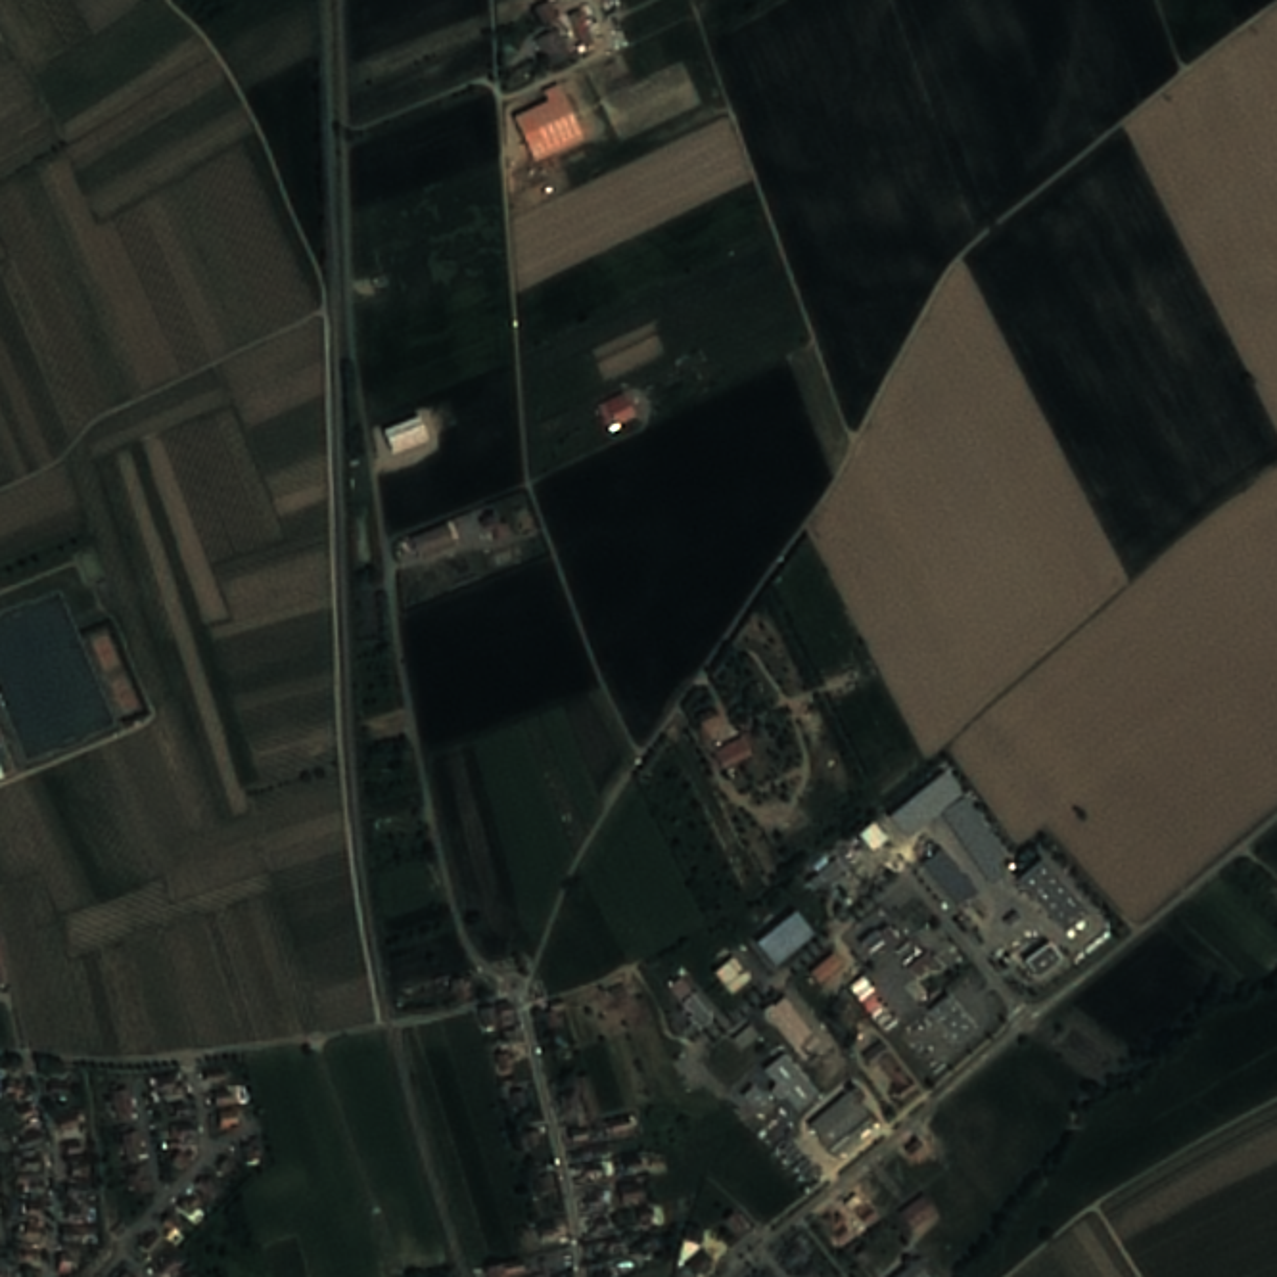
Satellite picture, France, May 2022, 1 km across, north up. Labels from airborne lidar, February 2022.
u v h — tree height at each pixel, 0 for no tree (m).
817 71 0
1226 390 0
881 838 0
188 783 0
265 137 0
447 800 0
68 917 0
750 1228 0
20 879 0
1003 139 0
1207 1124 0
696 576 0
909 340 0
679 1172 0
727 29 0
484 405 0
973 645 0
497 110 0
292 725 0
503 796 0
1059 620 0
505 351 0
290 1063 0
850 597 0
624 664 0
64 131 0
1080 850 0
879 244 0
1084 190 0
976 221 0
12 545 0
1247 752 0
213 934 0
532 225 0
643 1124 0
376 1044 0
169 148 0
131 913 0
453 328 0
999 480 0
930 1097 0
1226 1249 0
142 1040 0
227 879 0
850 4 0
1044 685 0
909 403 0
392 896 0
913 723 0
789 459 0
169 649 0
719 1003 0
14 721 0
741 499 0
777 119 0
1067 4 0
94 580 0
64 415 0
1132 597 0
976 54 0
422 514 0
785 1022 0
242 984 0
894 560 0
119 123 0
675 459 0
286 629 0
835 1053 0
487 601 0
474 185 0
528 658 0
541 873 0
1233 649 0
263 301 0
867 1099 0
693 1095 0
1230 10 0
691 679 0
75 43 0
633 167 0
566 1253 0
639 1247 7
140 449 0
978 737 0
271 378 0
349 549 0
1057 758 0
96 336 0
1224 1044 0
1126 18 0
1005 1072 0
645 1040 0
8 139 0
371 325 0
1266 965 0
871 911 0
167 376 0
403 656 0
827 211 0
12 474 0
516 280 0
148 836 0
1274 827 0
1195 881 0
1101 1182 0
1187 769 0
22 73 0
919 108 0
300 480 0
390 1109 0
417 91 0
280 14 0
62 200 0
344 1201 0
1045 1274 0
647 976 0
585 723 0
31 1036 0
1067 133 0
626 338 0
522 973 0
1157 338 0
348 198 0
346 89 0
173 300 0
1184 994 0
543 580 0
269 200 0
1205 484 0
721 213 0
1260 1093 0
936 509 0
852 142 0
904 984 0
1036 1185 10
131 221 0
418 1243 0
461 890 0
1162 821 0
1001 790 0
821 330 0
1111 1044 0
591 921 0
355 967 0
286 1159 0
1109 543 0
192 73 0
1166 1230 0
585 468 0
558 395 0
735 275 0
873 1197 0
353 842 0
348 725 0
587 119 0
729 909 0
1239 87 0
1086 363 0
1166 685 0
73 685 0
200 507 0
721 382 0
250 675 0
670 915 0
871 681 0
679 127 0
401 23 0
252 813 0
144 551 0
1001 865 0
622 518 0
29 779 0
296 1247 0
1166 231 0
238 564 0
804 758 0
